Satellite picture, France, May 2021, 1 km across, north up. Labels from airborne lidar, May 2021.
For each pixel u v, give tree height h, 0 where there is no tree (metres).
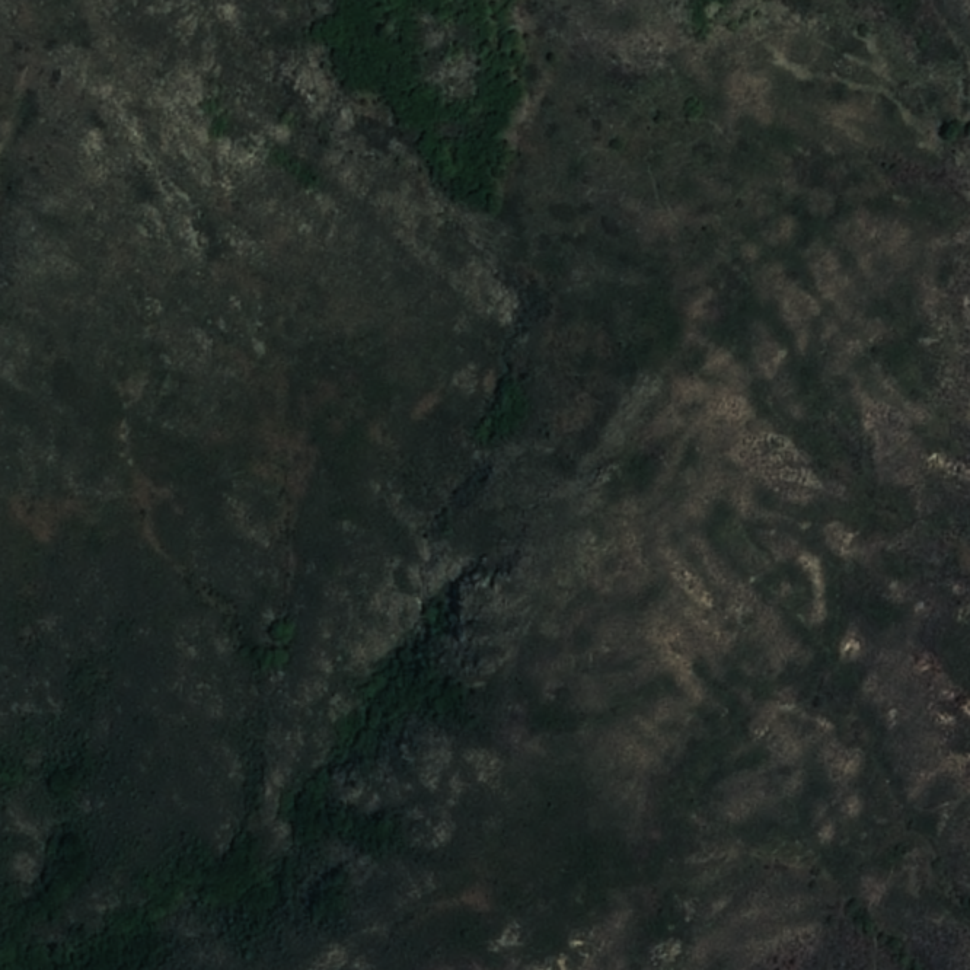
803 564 0
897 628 0
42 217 0
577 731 0
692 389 0
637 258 0
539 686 0
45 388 0
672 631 0
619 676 0
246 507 0
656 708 0
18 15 0
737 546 0
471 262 0
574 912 0
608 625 0
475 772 0
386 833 11
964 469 0
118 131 0
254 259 0
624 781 0
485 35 10
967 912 7
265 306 0
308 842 10
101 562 0
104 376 0
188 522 0
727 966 0
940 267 0
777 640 0
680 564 0
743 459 0
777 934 0
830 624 0
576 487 0
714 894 0
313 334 0
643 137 0
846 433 0
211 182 0
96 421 0
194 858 6
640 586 0
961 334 0
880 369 0
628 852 0
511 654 0
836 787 0
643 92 0
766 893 0
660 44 6
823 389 0
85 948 14
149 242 0
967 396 0
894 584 0
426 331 0
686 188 0
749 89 0
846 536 0
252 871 15
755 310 0
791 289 0
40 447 0
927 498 0
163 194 0
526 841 0
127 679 0
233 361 0
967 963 0
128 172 0
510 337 9
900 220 0
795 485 0
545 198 0
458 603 19
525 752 0
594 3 0
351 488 0
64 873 26
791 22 0
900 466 0
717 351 0
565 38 0
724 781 0
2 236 0
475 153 13
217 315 0
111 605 0
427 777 0
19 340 0
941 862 8
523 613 0
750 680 0
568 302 0
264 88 0
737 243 0
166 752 0
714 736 0
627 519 0
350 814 17
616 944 0
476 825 0
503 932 0
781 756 0
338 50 13
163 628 0
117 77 0
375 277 0
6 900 15
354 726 21
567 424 0
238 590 0
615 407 0
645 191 0
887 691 0
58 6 0
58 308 0
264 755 9
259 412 0
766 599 0
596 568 0
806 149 0
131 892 6
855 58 0
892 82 0
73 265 0
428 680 11
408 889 0
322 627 0
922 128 0
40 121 0
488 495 0
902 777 0
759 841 0
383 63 10
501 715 0
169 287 0
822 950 0
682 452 0
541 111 0
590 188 0
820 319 0
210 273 0
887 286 0
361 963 0
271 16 0
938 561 0
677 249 0
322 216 0
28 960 25
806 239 0
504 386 20
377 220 0
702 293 0
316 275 0
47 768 11
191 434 0
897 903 0
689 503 0
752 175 0
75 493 0
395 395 0
